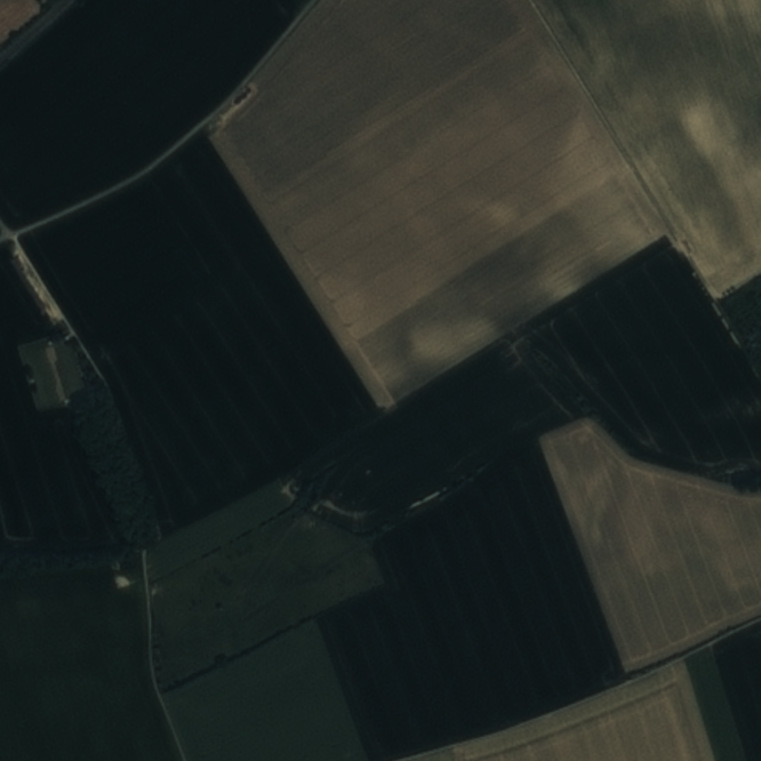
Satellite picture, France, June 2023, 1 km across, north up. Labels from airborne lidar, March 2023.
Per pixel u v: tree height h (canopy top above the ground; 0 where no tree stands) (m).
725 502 0
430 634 0
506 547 0
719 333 0
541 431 0
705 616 0
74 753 0
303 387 0
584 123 0
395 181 0
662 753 0
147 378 0
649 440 0
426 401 0
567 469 0
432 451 0
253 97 0
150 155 0
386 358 0
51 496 0
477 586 0
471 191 0
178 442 0
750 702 0
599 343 0
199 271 0
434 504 0
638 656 0
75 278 0
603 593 0
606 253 0
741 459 0
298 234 0
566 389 0
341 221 0
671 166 0
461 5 0
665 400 0
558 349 0
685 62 0
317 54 0
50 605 0
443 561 0
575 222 0
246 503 0
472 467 0
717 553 0
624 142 0
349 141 0
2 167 0
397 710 0
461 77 0
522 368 0
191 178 0
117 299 0
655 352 0
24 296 0
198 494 0
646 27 0
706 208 0
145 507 20
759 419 0
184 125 0
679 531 0
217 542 0
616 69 0
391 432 0
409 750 0
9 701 0
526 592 0
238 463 0
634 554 0
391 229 0
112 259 0
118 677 0
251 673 0
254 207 0
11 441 0
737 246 0
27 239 0
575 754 0
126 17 0
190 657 0
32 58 0
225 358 0
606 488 0
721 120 0
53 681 0
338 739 0
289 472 0
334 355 0
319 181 0
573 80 0
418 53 0
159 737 0
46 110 0
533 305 0
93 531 0
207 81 0
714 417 0
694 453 0
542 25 0
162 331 0
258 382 0
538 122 0
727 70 0
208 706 0
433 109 0
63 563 9
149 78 0
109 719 0
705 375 0
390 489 0
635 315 0
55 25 0
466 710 0
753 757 0
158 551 0
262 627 0
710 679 0
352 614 0
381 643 0
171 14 0
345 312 0
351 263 0
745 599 0
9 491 0
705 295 0
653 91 0
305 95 0
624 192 0
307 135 0
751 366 0
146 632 0
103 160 0
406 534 0
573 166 0
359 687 0
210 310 0
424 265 0
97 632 0
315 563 0
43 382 0
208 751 0
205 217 0
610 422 0
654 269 0
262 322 0
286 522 0
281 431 0
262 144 0
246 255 0
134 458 20
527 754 0
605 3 0
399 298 0
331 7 0
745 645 0
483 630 0
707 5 0
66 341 7
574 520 0
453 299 0
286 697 0
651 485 0
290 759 0
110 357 0
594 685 0
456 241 0
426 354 0
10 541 0
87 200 0
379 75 0
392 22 0
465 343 0
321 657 0
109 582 0
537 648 0
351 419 0
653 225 0
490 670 0
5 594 0
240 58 0
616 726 0
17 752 0
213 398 0
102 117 0
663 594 0
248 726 0
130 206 0
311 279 0
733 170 0
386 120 0
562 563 0
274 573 0
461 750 0
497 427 0
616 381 0
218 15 0
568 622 0
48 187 0
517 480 0
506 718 0
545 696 0
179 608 0
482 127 0
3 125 0
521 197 0
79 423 22
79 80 0
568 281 0
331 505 0
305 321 0
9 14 0
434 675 0
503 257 0
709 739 0
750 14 0
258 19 0
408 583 0
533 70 0
